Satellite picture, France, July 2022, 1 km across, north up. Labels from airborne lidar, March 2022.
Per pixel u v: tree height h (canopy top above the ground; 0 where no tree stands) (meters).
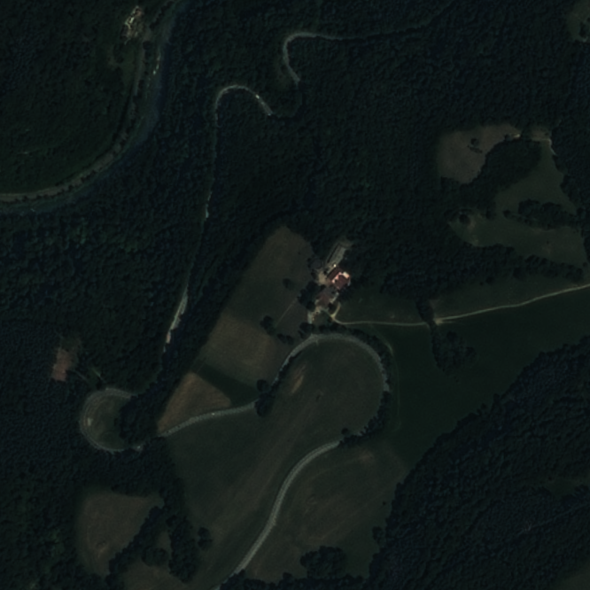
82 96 17
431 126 20
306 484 0
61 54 26
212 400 0
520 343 0
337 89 28
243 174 19
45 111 20
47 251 37
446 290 22
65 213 14
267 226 23
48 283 32
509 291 0
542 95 26
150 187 33
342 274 0
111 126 19
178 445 0
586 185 23
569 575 13
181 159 22
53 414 32
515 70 25
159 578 0
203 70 19
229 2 23
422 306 22
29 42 31
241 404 0
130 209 27
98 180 0
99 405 0
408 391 0
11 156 16
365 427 0
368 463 0
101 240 33
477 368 0
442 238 19
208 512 0
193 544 11
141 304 32
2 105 24
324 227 29
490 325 0
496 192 19
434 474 12
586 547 24
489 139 0
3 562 27
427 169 19
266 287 0
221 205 22
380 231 29
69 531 22
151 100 0
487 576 28
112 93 12
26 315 11
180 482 13
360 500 0
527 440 30
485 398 0
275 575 0
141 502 0
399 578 27
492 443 30
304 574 0
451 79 27
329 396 0
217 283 24
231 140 17
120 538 0
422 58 26
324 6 20
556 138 14
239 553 0
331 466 0
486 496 23
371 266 31
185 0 0
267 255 0
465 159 0
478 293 0
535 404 26
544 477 21
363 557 0
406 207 20
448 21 15
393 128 17
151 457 23
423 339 0
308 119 30
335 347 0
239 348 0
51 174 14
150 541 20
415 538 24
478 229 0
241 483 0
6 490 21
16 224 24
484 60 32
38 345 29
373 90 24
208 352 0
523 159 24
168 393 14
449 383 0
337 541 0
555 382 29
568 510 30
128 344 27
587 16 0
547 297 0
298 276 0
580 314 0
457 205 14
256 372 0
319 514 0
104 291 18
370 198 31
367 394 0
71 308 25
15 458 28
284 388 0
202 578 0
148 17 8
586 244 8
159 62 0
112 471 23
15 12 24
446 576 30
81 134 19
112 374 21
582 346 11
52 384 31
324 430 0
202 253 20
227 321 0
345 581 25
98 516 0
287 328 0
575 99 15
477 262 24
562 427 34
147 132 0
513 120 15
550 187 0
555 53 26
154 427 14
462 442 12
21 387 18
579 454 26
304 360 0
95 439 0
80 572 27
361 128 19
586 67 24
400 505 17
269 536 0
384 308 0
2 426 26
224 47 21
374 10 24
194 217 17
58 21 29
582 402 28
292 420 0
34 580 34
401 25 19
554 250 0
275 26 19
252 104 20
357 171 28
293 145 30
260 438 0
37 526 10
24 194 0
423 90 26
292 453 0
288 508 0
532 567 26
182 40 18
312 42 14
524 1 34
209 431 0
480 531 31
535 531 20
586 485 0
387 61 26
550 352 0
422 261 26
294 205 7
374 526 0
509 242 0
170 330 0
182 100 12
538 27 22
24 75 31
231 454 0
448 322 0
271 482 0
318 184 30
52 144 30
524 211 20
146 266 32
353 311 0
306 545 0
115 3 16
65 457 30
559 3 23
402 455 0
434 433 0
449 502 28
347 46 15
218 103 0
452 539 27
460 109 26
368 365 0
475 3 16
